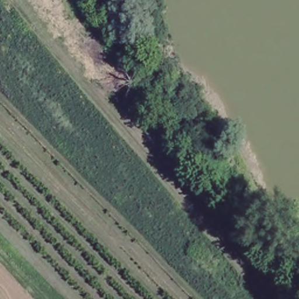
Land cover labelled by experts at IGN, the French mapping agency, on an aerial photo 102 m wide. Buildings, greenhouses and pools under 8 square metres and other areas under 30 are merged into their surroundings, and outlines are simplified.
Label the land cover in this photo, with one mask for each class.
<instances>
[{"label":"deciduous trees","instance_id":"1","mask_svg":"<svg viewBox=\"0 0 299 299\"><path fill-rule=\"evenodd\" d=\"M71 9L78 6L83 8L86 20L82 25L85 29L93 25L102 30L105 41L102 44L103 51L111 49L119 60L123 61L126 70L123 74L124 85L132 86L125 99L126 112L137 119L134 127L140 128L141 133L149 128L157 135L158 151L171 162L174 179H179L181 185H185L183 188L189 186L193 193L200 195L209 203L208 206L220 215L217 220H221L228 228L230 242L244 245L246 251L243 256H246L253 266L264 273L273 274L274 280L267 285L271 288L269 299H299V200L285 199L280 187L274 186L276 197L271 200L269 192L265 190L253 178L243 158L242 148L245 140L246 128L241 118L227 119L218 116L217 111H211L210 105L202 97V86L190 82V76L193 74L183 65L181 55L173 53L175 39L167 22L166 0H67ZM16 168L20 169L23 178L44 197L50 195L49 189L33 174L28 173L27 168L19 162ZM6 180L11 182L14 189L19 190L36 209L41 208V203L20 186L12 173H8ZM0 193L8 195L9 202L14 204L16 211L32 225L33 229L40 232L44 241L54 246L58 255L74 267L85 283L95 288L99 297L103 299H113L102 290L96 277L83 270L75 259L71 258L70 253L57 243L56 238L47 234L39 222L30 217V213L15 201V197L7 192L6 188H0ZM49 202L65 221L76 229L78 235L85 238L107 264L117 271L123 269L120 262L93 238L91 232L77 222L69 211L61 207L56 197L51 195ZM40 215L43 220L62 236L64 241L81 252L86 264L102 274L104 267L93 263V256L84 250L74 236L61 227L47 209H43ZM22 238L28 241L34 252L40 253L43 259L47 260L72 290L79 294L83 293V288L70 278L69 272L62 269L41 244L28 234L26 228L12 218Z\"/></svg>","mask_w":299,"mask_h":299},{"label":"herbaceous vegetation","instance_id":"2","mask_svg":"<svg viewBox=\"0 0 299 299\"><path fill-rule=\"evenodd\" d=\"M6 11L15 9L30 32H33L49 50L79 90L85 93L86 98L109 121L114 131L127 142L141 160H147L148 164L142 168V172L145 173L148 169L152 172L147 176L148 180L159 179L161 176L164 179L161 181L162 185L176 202L175 207H183L190 221L211 235L213 243L232 259L230 263L234 269L239 271L243 264L249 265L267 285L274 280L273 274L264 273L253 266L246 256H243L246 251L244 245L230 242L228 228L221 220H217L220 215L208 206L209 203L200 195L193 193L189 186L183 188L185 185H181L179 179H174L171 162L158 151L157 135L149 128L141 133L140 128L134 127L137 119L126 112L125 99L132 86L124 85L117 91L114 89L113 81L102 84L98 79L85 77L84 63L79 62L74 54L70 53L65 46L64 36L55 37L49 32L48 23L40 18L32 2L28 0H4ZM19 162L27 168L28 173L33 174L49 189L50 195L44 197L23 178L20 169L16 168ZM8 173H12L20 186L41 203V208L36 209L19 190L14 189L11 182L6 180ZM6 188L7 192L15 197V201L30 213V217L39 222L47 234L56 238L57 243L70 253L71 258L75 259L83 270L96 277L102 290L113 299H203L165 262L147 239L76 171L64 155L49 144L40 131H37L20 110L0 92V188ZM51 195L56 197L61 207L69 211L77 222L91 232L93 238L120 262L123 269L117 271L107 264L85 238L78 235L76 229L65 221L49 202ZM43 209H47L61 227L74 236L84 250L93 256V263L104 267L102 274L86 264L81 252L64 241L62 236L43 220L40 215ZM12 218L26 228L28 234L41 244L62 269L69 272L70 278L83 288V293L79 294L72 290L47 260L43 259L40 253L34 252L28 241L22 238ZM0 264L5 266L11 276L34 299H103L99 297L95 288L85 283L74 267L58 255L54 246L44 241L40 232L33 229L32 225L16 211L14 204L9 202L8 195L0 193Z\"/></svg>","mask_w":299,"mask_h":299},{"label":"agricultural land","instance_id":"3","mask_svg":"<svg viewBox=\"0 0 299 299\"><path fill-rule=\"evenodd\" d=\"M0 92L20 110L37 131H40L49 144L64 155L76 171L147 239L165 262L203 299H269L271 288L267 285L249 265L243 264L239 271L234 269L230 263L232 259L213 243L211 235L190 221L183 207H175L176 202L162 185L161 181L164 179L161 176L159 179L148 180L147 176L152 172L148 169L145 173L142 172V168L148 164L147 160H141L127 142L114 131L109 121L86 98L85 93L79 90L49 50L33 32H30L15 9L6 11L4 0H0Z\"/></svg>","mask_w":299,"mask_h":299},{"label":"water","instance_id":"4","mask_svg":"<svg viewBox=\"0 0 299 299\"><path fill-rule=\"evenodd\" d=\"M167 22L175 39L173 53L181 55L183 65L193 74L206 78L207 84L220 96L228 114L227 119L241 118L246 128L245 140L249 142L251 151L256 154L266 185L265 190L269 192L271 200L276 197L274 186L280 187L285 199L299 200V0H166Z\"/></svg>","mask_w":299,"mask_h":299},{"label":"bare soil","instance_id":"5","mask_svg":"<svg viewBox=\"0 0 299 299\"><path fill-rule=\"evenodd\" d=\"M32 2L40 18L48 23L49 32L55 37L64 36L65 46L70 53L74 54L79 62L84 63L85 77L98 79L102 84L113 81L114 89L117 91L124 85L123 74L126 70L123 61L119 60L111 49L103 51L102 44L105 41L102 30L93 25L85 29L82 25L86 20L83 8L78 6L71 9L67 0H28ZM190 82L202 86V97L210 105L211 111H217L218 116L227 119L228 114L220 96L207 84L206 78L193 74L190 76ZM243 158L253 178L265 190L266 185L256 154L251 151L249 142L245 140L242 148Z\"/></svg>","mask_w":299,"mask_h":299},{"label":"clear cut","instance_id":"6","mask_svg":"<svg viewBox=\"0 0 299 299\"><path fill-rule=\"evenodd\" d=\"M0 299H34L11 276L5 266L0 264Z\"/></svg>","mask_w":299,"mask_h":299}]
</instances>
